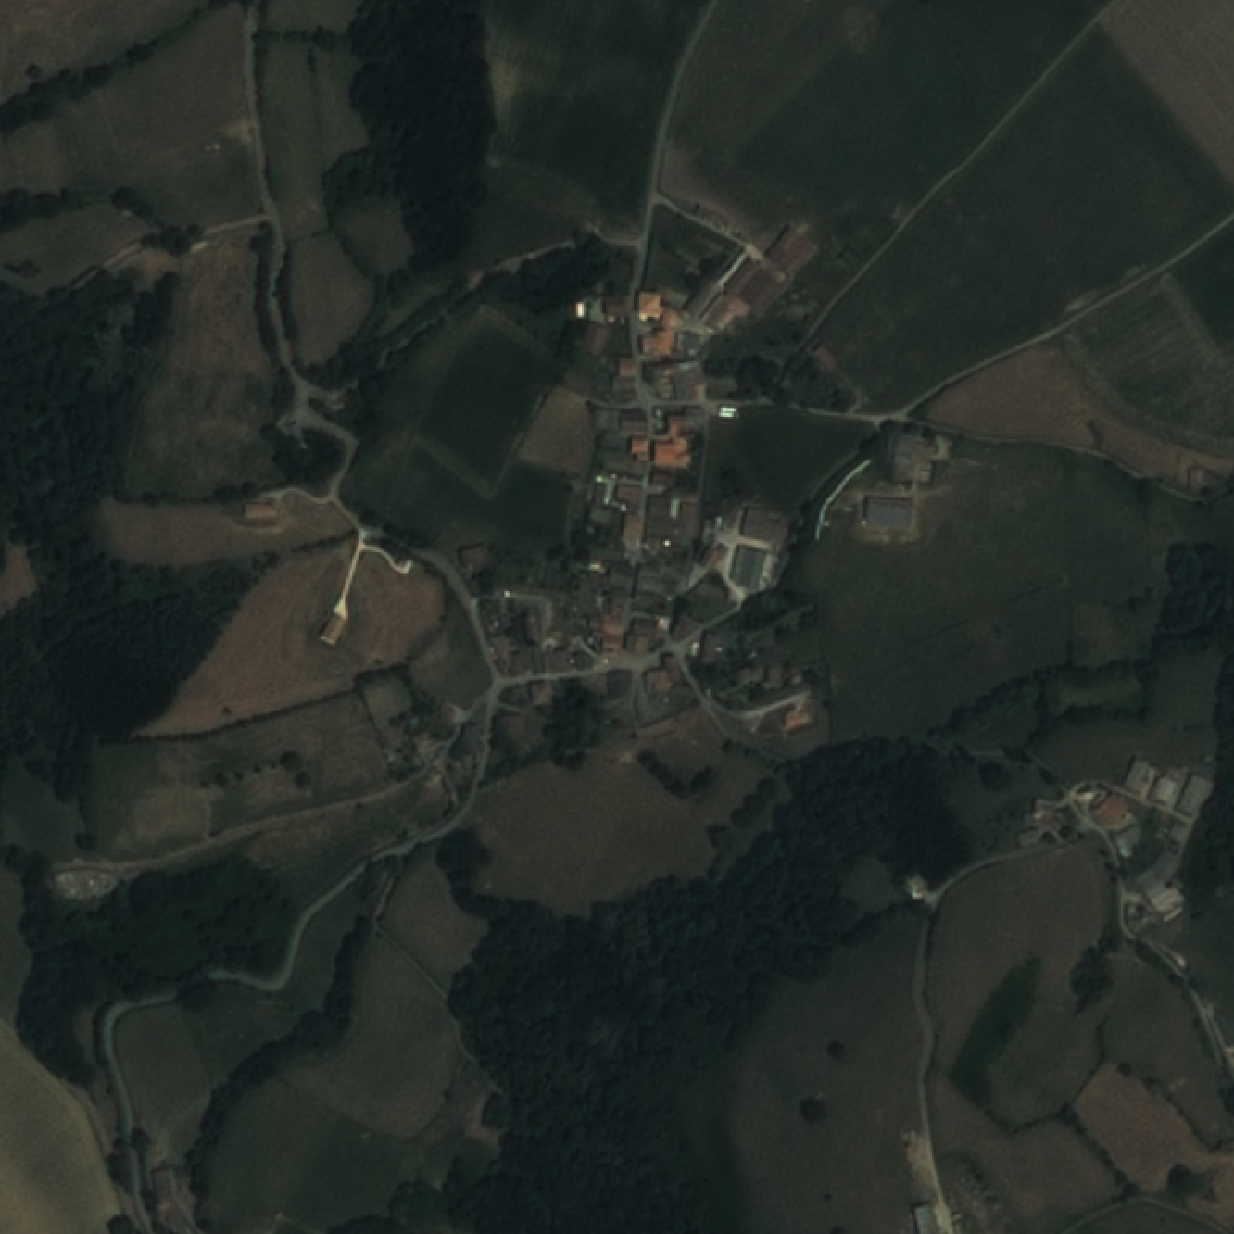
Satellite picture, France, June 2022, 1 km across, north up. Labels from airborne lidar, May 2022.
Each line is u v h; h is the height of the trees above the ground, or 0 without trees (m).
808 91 0
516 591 0
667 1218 21
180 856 0
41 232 0
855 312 0
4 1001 0
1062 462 0
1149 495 13
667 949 15
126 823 0
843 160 0
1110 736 0
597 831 0
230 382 0
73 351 26
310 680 0
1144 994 0
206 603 7
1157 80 0
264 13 6
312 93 0
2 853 9
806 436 0
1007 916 0
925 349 0
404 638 0
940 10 0
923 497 0
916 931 0
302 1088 0
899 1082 0
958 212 0
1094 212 0
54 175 0
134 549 0
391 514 0
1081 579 0
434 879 0
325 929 0
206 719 0
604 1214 26
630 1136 14
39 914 18
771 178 0
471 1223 9
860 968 0
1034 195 0
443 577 6
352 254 7
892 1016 0
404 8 19
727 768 0
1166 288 0
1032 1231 0
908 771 22
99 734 13
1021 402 0
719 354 0
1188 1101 0
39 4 0
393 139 12
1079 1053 0
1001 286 0
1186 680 0
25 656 7
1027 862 0
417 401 0
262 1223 0
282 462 12
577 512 0
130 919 12
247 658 0
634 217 0
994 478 0
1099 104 0
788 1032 0
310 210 0
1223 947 0
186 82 0
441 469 0
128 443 7
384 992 0
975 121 0
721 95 0
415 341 7
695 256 0
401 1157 0
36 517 13
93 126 0
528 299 24
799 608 8
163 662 8
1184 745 0
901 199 0
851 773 12
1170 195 0
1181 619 20
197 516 0
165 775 0
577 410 0
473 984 20
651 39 0
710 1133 0
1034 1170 0
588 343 0
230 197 0
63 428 18
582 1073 17
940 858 16
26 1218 0
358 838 0
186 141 0
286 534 0
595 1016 20
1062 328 0
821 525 0
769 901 16
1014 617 0
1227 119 0
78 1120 0
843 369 0
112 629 13
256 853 0
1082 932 0
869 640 0
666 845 0
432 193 19
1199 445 0
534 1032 20
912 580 0
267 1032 0
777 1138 0
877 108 0
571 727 10
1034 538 0
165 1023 0
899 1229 0
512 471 0
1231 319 0
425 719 9
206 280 0
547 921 18
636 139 0
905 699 0
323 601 0
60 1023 18
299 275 0
